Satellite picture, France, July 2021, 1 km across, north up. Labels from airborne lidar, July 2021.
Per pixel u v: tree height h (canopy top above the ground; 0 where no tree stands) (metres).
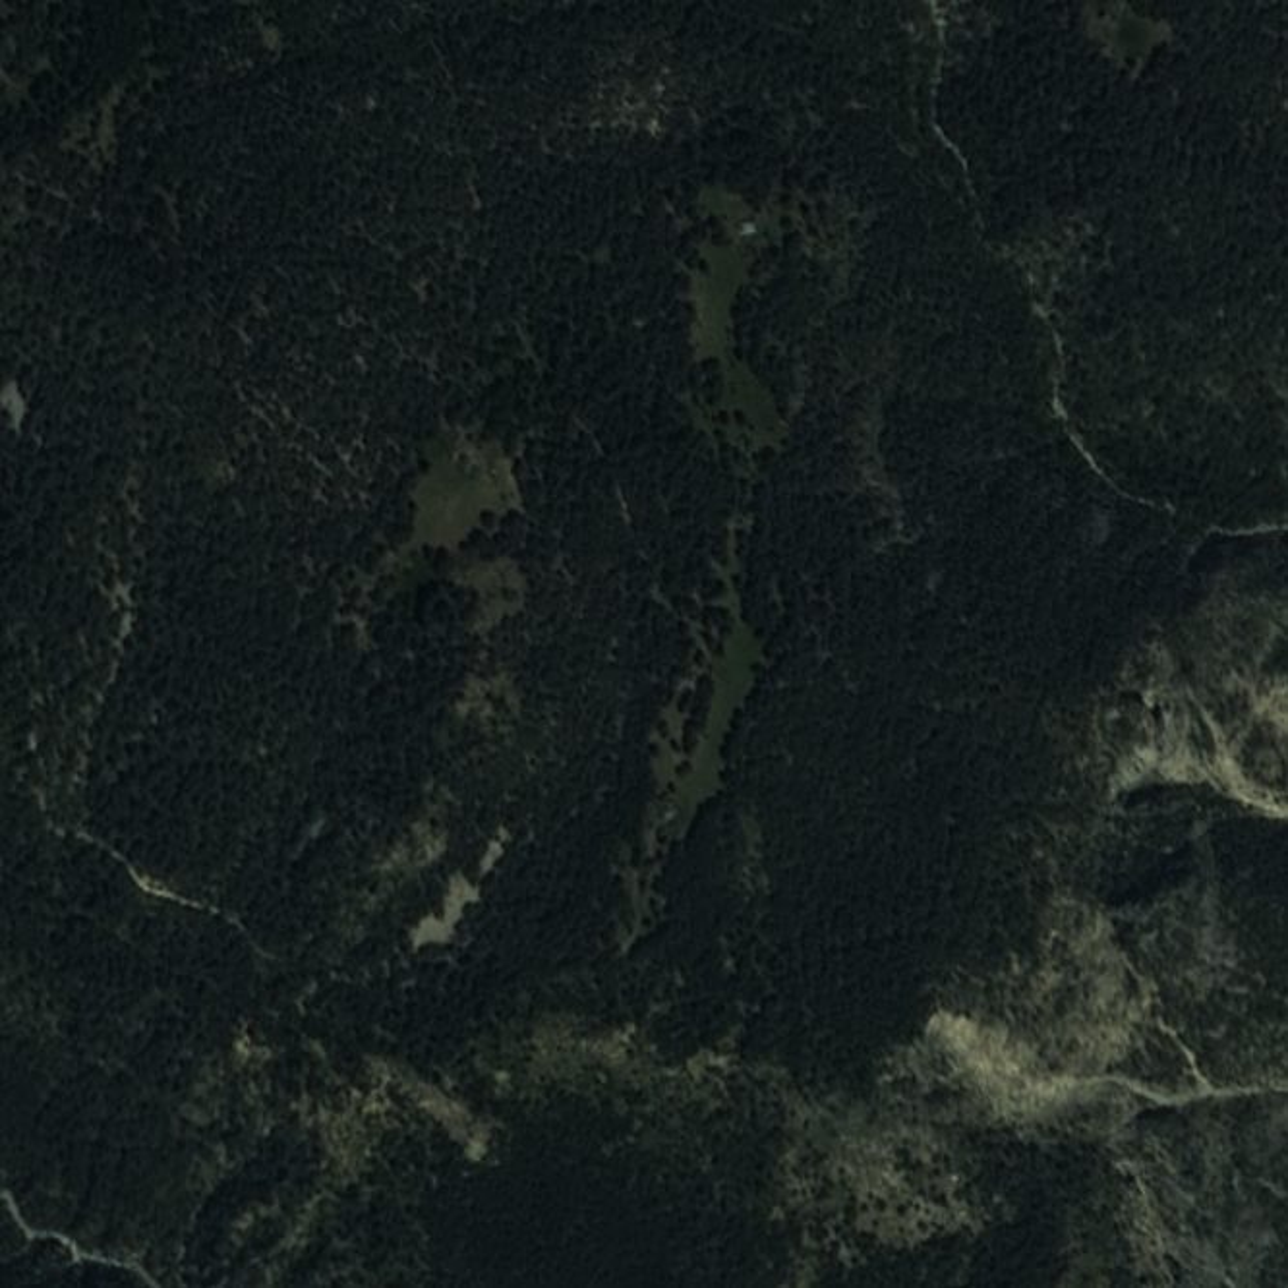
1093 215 12
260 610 14
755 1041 14
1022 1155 19
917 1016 13
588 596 8
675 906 16
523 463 15
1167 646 7
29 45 19
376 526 15
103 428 14
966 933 13
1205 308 12
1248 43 13
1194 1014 12
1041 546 14
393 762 12
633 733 13
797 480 17
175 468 13
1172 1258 0
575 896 14
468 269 20
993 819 15
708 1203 16
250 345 8
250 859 13
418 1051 8
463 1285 15
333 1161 6
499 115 12
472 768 10
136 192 22
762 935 8
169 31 22
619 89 9
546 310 9
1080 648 6
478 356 17
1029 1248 6
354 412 10
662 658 16
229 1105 10
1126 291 15
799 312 13
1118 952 16
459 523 0
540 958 11
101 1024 11
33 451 13
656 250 18
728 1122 13
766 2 17
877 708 14
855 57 7
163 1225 9
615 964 12
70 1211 17
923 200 15
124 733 12
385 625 18
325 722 12
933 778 17
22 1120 15
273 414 14
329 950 9
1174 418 9
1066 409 8
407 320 14
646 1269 12
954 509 12
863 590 16
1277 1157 8
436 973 12
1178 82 16
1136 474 12
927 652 16
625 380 17
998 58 10
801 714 13
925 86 13
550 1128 8
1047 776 10
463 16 9
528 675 7
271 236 23
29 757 15
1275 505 16
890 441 19
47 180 14
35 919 18
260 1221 6
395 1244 15
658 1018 6
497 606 0
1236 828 8
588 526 18
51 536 13
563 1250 11
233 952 13
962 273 8
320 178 17
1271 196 12
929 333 11
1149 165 10
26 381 16
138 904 7
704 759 0
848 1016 10
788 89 12
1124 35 0
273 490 15
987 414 10
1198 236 9
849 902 18
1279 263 11
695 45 14
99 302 12
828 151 13
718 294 0
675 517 16
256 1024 9
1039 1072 0
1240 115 12
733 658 0
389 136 16
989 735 19
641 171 18
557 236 15
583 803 12
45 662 9
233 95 13
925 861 12
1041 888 11
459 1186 9
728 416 15
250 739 13
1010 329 12
